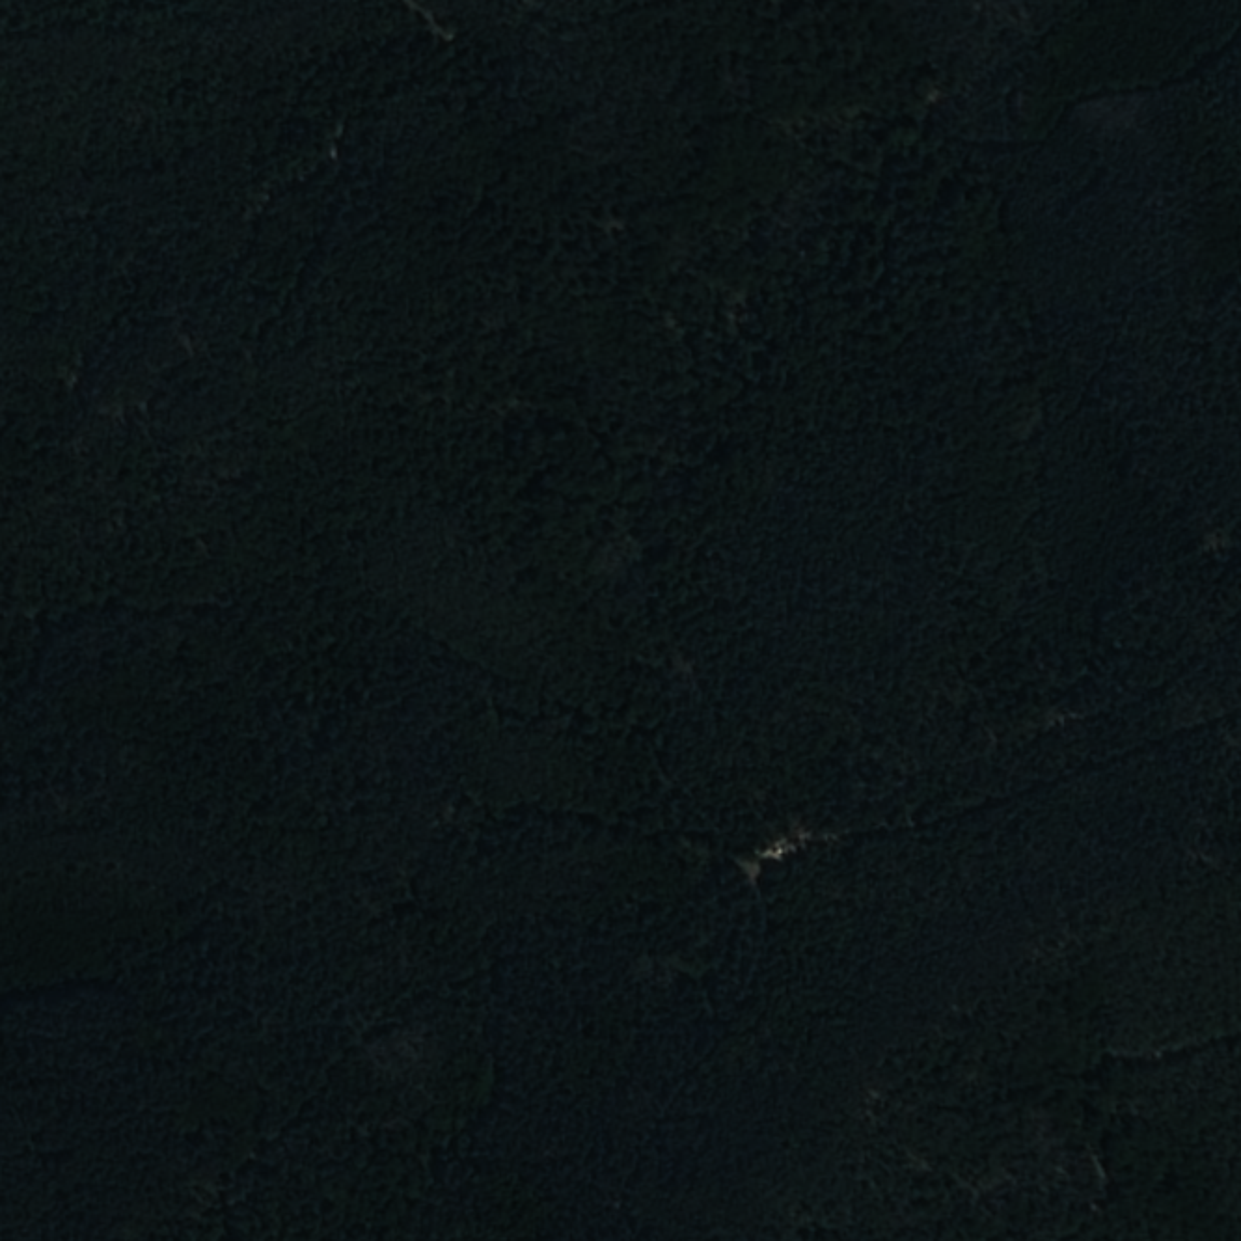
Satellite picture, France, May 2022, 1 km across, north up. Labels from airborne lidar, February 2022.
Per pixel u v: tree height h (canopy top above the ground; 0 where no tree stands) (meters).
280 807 24
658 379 31
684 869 21
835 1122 13
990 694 21
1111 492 16
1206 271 19
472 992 19
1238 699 22
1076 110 18
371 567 18
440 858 28
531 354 14
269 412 18
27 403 18
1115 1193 20
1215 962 20
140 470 17
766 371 28
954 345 19
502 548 9
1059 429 13
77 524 18
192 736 15
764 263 30
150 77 21
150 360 25
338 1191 20
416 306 16
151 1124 22
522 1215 24
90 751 24
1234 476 21
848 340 23
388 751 22
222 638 17
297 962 28
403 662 30
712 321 32
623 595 24
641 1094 31
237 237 18
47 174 20
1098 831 18
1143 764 18
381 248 21
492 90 25
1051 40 20
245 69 19
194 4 13
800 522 19
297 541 21
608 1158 32
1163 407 22
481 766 19
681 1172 21
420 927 20
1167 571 17
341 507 18
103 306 21
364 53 24
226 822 18
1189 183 23
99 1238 24
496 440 12
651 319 24
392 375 15
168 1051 20
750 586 21
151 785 17
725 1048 24
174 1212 17
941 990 19
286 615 19
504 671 20
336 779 20
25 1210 29
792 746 19
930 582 21
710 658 24
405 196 16
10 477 8
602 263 16
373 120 18
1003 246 19
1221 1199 20
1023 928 16
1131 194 23
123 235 22
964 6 20
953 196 26
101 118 23
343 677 15
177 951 19
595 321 13
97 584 22
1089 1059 22
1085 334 24
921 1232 21
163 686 18
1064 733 20
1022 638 18
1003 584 13
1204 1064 23
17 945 14
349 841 19
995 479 12
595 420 29
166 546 18
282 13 18
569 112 25
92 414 24
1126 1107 25
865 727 27
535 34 16
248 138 19
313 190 18
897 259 26
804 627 23
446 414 8
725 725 21
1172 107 26
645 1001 24
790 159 31
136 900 13
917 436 18
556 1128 34
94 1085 28
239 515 16
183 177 22
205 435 26
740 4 14
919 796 17
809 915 20
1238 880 15
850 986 18
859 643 23
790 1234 18
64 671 27
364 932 20
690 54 19
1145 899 15
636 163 15
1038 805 22
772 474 18
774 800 20
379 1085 14
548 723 22
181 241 23
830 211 25
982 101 27
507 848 22
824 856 19
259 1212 24
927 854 20
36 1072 32
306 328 20
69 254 23
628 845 23
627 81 18
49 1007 37
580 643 19
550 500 26
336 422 16
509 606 20
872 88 21
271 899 17
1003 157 24
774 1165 26
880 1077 19
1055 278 16
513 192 22
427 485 14
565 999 29
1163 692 21
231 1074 18
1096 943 19
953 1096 11
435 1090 17
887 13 29
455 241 15
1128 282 17
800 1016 20
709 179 17
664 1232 21
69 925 14
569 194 19
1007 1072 26
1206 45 15
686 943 23
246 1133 15
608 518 27
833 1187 24
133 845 22
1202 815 25
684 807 19
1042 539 19
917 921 22
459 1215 26
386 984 20
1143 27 18
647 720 27
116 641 29
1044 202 19
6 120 23
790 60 30
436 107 22
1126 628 25
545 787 19
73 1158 26
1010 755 16
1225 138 22
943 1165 22
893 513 19
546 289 17
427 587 17
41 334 23
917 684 20
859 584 18
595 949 27
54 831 21
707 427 32
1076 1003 27
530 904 20
